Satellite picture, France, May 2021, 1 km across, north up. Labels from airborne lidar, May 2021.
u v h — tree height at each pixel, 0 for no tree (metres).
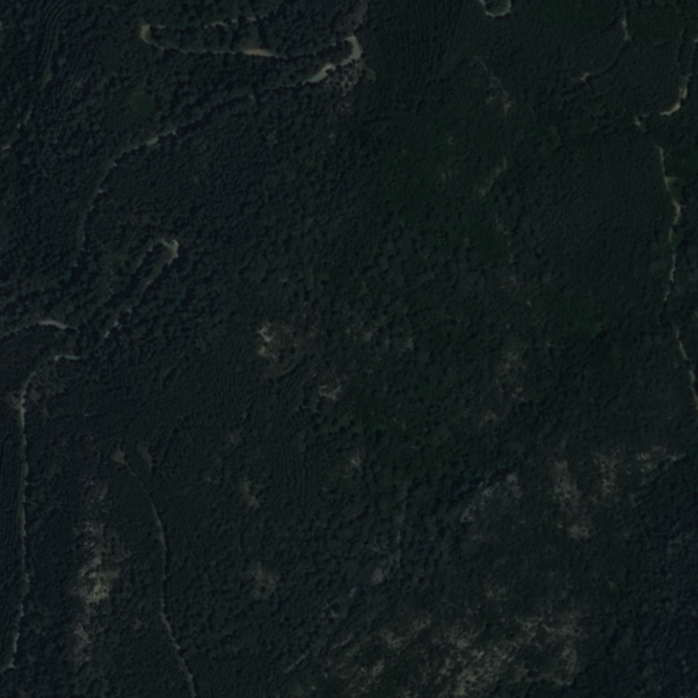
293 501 19
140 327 36
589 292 22
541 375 17
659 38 24
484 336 29
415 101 16
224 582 12
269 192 13
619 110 12
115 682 15
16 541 20
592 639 9
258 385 23
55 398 12
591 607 7
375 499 16
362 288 10
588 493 10
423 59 19
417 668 7
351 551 28
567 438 6
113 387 20
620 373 14
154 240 26
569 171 25
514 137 11
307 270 27
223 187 21
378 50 21
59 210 23
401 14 12
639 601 21
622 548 13
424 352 30
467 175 11
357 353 5
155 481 20
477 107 8
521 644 27
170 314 20
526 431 16
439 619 17
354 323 17
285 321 17
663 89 18
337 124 10
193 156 21
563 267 20
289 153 8
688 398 11
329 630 20
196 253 21
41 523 20
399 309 31
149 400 15
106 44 22
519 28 20
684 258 22
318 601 31
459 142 13
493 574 7
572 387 12
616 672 10
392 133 8
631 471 12
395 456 22
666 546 18
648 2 25
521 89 14
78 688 13
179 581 24
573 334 15
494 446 9
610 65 23
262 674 18
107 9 17
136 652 14
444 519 30
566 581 11
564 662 10
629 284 8
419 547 17
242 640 30
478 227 13
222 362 17
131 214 21
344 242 7
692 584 13
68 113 23
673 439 8
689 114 13
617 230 13
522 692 29
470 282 30
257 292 23
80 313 29
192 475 18
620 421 14
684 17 13
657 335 30
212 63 17
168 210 19
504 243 9
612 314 14
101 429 12
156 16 28
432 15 20
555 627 9
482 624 16
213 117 27
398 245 31
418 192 16
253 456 22
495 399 15
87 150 19
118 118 24
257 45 0
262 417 24
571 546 13
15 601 15
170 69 34
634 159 25
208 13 22
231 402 18
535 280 24
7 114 9
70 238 23
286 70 28
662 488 17
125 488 18
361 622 10
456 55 18
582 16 20
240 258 26
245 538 18
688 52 21
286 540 20
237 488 20
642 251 11
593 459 8
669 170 11
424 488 32
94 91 19
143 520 16
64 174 19
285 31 30
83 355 19
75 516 15
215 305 21
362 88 19
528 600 16
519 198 34
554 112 11
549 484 7
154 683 22
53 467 15
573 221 23
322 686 7
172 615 19
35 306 31
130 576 7
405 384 20
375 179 12
